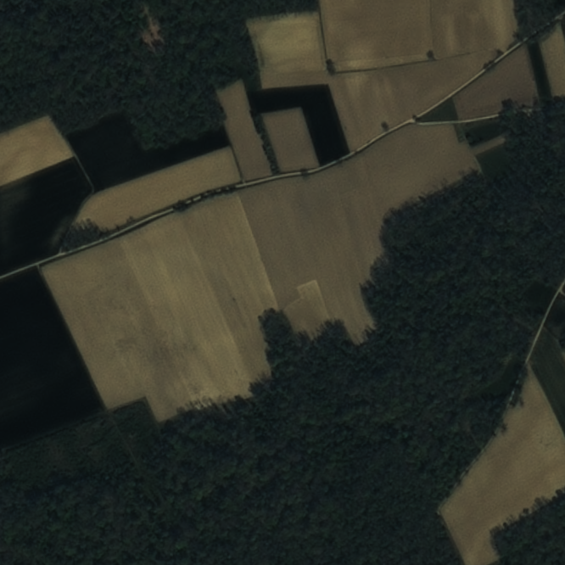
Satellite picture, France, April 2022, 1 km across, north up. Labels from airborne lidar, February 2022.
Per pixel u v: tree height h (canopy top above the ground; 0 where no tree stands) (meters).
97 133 0
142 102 29
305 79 0
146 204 0
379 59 0
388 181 0
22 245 0
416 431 26
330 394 23
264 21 0
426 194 0
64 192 0
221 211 0
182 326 0
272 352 6
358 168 0
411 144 0
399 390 32
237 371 0
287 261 0
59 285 0
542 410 0
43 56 32
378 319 24
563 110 28
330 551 32
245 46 31
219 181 0
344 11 0
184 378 0
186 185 0
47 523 29
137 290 0
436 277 28
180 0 26
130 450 0
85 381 0
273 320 23
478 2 0
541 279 19
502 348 26
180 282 0
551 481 0
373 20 0
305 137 0
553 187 28
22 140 0
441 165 0
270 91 0
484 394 0
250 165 0
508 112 21
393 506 28
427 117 0
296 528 36
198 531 34
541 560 28
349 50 0
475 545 0
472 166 0
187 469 32
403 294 24
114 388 0
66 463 0
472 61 0
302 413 29
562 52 0
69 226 0
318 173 0
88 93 26
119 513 27
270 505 27
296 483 35
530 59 0
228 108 0
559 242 26
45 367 0
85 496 31
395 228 27
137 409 0
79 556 28
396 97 0
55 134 0
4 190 0
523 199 31
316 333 0
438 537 21
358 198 0
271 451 31
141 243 0
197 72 31
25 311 0
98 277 0
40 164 0
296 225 0
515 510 0
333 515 32
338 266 0
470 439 28
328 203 0
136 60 18
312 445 21
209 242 0
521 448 0
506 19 0
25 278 0
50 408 0
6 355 0
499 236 28
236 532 33
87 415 0
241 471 38
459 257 31
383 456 27
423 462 7
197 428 32
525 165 26
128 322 0
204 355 0
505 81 0
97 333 0
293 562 27
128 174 0
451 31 0
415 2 0
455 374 30
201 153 0
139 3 30
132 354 0
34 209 0
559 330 0
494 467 0
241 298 0
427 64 0
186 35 27
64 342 0
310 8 18
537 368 0
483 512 0
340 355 25
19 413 0
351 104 0
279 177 0
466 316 15
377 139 0
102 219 0
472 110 0
